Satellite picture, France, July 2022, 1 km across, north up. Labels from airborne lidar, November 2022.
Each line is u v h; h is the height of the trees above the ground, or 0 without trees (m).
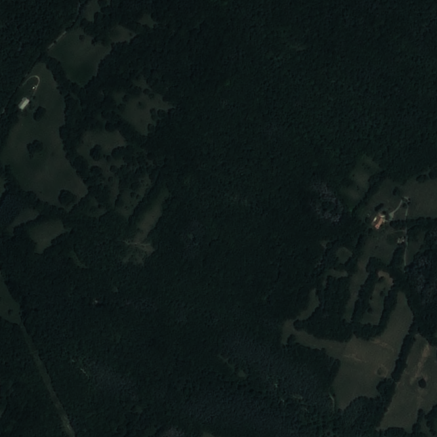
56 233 0
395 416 0
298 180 19
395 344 0
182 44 16
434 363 0
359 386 0
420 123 11
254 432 19
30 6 17
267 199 15
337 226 21
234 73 18
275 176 10
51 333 17
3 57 18
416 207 0
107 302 22
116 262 15
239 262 19
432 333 11
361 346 0
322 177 15
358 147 12
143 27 17
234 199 6
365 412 17
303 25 15
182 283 12
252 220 16
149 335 23
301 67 13
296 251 16
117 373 13
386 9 16
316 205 29
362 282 0
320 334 15
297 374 14
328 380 17
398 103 14
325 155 13
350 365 0
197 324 17
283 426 16
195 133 18
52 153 0
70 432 0
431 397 0
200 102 19
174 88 15
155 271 14
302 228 16
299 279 19
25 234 18
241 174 13
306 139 15
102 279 16
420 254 7
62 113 0
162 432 20
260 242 15
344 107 14
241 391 20
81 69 0
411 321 0
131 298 18
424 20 15
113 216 16
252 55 19
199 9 21
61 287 22
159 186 16
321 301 13
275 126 17
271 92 11
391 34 19
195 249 20
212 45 19
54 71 17
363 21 21
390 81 12
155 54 18
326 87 8
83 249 11
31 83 0
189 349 17
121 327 15
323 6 16
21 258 28
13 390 13
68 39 0
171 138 18
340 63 11
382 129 6
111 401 16
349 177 14
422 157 18
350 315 0
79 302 18
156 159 13
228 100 20
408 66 14
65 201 18
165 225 13
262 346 18
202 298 16
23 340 12
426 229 15
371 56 13
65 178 0
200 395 19
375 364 0
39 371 16
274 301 16
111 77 21
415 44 16
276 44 13
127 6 21
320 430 19
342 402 0
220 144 15
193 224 18
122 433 18
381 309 0
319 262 15
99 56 0
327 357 15
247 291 17
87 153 0
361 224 19
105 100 21
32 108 8
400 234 0
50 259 16
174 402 16
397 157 13
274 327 19
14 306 0
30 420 19
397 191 16
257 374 15
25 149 0
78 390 15
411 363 0
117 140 0
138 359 17
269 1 15
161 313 17
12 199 27
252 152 18
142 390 15
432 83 12
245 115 14
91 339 18
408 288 17
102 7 10
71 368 14
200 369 16
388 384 19
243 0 17
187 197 17
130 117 0
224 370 17
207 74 24
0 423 12
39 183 0
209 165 17
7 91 13
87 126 14
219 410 17
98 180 17
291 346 16
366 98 14
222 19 23
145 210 11
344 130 10
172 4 21
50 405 15
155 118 11
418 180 13
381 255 0
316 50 12
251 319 13
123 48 21
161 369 15
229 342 18
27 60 18
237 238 19
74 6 16
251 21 16
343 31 15
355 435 12
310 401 18
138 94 13
